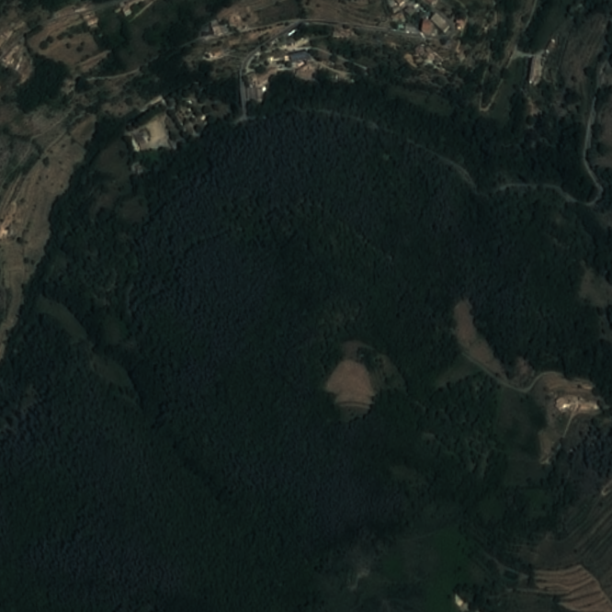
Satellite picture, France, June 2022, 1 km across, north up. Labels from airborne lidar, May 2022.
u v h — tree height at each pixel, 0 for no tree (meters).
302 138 25
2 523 17
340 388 0
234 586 20
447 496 11
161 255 11
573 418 0
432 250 18
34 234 0
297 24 0
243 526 23
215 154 25
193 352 20
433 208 19
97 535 18
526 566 11
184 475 25
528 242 16
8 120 0
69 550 23
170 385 15
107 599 22
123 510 19
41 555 16
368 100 20
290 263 15
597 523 0
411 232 17
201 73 9
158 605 17
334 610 0
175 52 8
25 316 24
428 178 22
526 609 0
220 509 26
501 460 12
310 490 16
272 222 15
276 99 22
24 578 19
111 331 0
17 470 16
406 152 24
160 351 9
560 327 12
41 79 14
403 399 9
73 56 0
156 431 25
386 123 7
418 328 19
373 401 6
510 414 0
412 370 20
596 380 14
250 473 17
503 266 18
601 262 17
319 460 17
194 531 19
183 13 11
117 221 18
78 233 10
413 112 21
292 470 14
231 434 15
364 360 7
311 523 17
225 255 21
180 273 20
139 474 18
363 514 22
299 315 21
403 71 15
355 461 21
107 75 8
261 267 20
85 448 21
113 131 22
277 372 20
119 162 0
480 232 22
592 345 15
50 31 0
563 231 16
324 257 19
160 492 19
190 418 16
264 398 21
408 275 17
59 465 18
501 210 9
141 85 9
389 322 19
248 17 6
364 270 13
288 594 18
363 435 17
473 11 8
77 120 6
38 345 12
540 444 0
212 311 21
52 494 23
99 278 13
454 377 0
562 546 0
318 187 16
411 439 19
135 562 26
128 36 20
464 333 0
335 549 11
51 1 10
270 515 16
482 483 14
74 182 15
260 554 23
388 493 18
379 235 17
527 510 16
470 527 9
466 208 13
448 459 13
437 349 9
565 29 0
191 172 14
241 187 21
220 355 22
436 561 0
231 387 25
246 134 25
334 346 13
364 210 18
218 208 21
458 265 16
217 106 15
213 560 23
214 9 12
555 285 17
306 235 9
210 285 27
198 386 28
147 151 17
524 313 16
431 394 13
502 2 9
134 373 27
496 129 31
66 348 14
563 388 0
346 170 18
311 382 17
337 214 17
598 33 0
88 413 13
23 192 0
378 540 9
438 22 0
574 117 11
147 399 27
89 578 20
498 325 16
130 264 9
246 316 24
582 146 10
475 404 12
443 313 17
